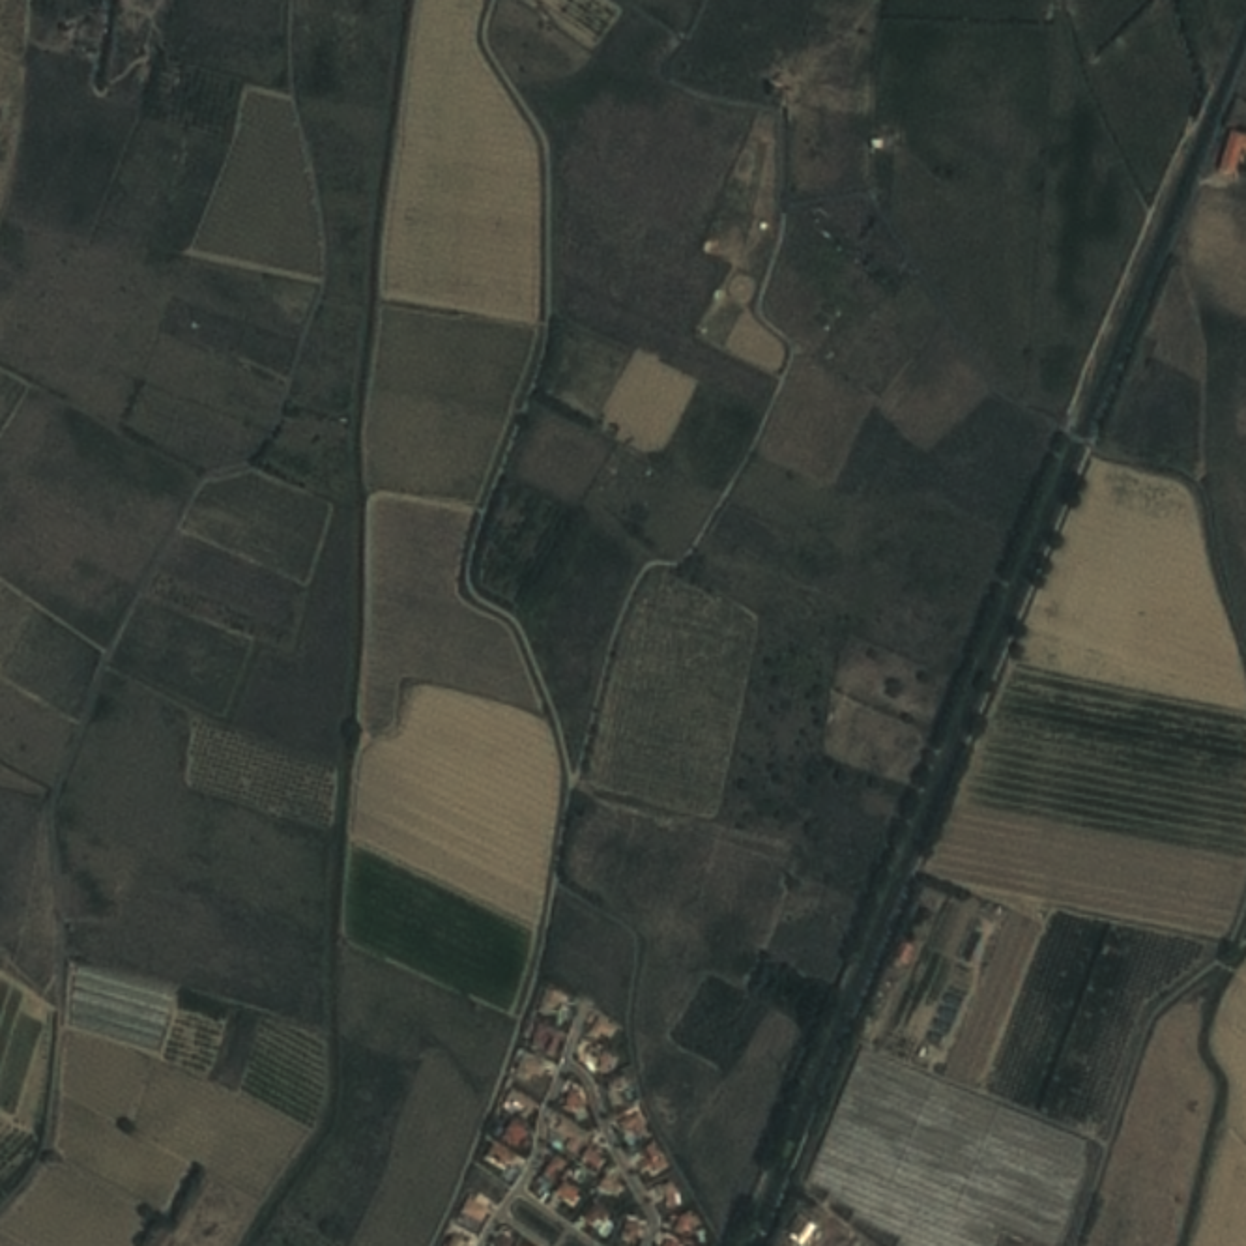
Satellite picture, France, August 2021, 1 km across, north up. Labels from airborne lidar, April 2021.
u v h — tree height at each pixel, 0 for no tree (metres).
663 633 0
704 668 0
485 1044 0
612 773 0
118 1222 0
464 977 0
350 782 0
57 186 0
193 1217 0
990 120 0
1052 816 0
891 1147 0
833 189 0
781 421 0
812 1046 14
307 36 0
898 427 0
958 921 0
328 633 0
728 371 0
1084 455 0
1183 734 0
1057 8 0
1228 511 0
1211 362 0
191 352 0
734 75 0
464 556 6
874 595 0
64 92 0
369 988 0
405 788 0
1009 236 0
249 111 0
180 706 0
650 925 0
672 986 0
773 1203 0
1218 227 0
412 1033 0
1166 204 0
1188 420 0
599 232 0
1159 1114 0
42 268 0
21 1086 0
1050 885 0
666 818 0
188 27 0
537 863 0
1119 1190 0
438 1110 0
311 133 0
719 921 0
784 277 0
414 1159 0
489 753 0
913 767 0
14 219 0
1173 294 0
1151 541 0
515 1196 0
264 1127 0
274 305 0
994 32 0
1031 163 0
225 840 0
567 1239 0
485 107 0
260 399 0
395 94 0
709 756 0
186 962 0
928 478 0
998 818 0
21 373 0
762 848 0
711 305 0
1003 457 0
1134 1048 0
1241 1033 0
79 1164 0
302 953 0
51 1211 0
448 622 0
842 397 0
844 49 0
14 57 0
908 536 0
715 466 0
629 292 0
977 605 0
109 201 0
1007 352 0
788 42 0
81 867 0
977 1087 0
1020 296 0
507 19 0
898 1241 0
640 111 0
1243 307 0
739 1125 0
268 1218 0
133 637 0
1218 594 0
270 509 0
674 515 0
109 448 0
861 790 0
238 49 0
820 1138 0
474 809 0
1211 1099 0
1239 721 0
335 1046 0
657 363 0
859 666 0
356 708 0
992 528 0
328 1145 0
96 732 0
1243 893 0
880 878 14
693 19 0
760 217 0
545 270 0
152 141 0
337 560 0
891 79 0
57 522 0
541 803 0
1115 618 0
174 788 0
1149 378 0
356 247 0
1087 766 0
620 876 0
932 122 0
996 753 0
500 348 0
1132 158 0
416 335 0
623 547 0
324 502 0
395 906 0
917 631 0
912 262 0
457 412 0
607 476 0
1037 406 0
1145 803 0
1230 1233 0
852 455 0
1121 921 0
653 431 0
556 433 0
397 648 0
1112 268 0
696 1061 0
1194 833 0
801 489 0
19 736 0
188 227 0
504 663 0
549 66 0
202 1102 0
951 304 0
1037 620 0
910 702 0
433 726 0
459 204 0
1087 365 0
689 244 0
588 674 0
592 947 0
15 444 0
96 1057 0
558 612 0
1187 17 8
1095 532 0
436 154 0
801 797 0
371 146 0
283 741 0
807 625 0
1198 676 0
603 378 0
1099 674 0
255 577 0
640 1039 0
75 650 0
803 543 0
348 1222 0
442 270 0
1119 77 0
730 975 0
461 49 0
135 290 0
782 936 0
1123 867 0
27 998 0
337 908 0
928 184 0
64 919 0
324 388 0
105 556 0
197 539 0
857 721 0
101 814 0
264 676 0
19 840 0
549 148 0
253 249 0
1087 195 0
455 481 0
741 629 0
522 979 0
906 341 0
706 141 0
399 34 0
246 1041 0
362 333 0
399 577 0
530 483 0
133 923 0
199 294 0
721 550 0
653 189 0
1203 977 0
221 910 0
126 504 0
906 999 0
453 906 0
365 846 0
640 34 0
